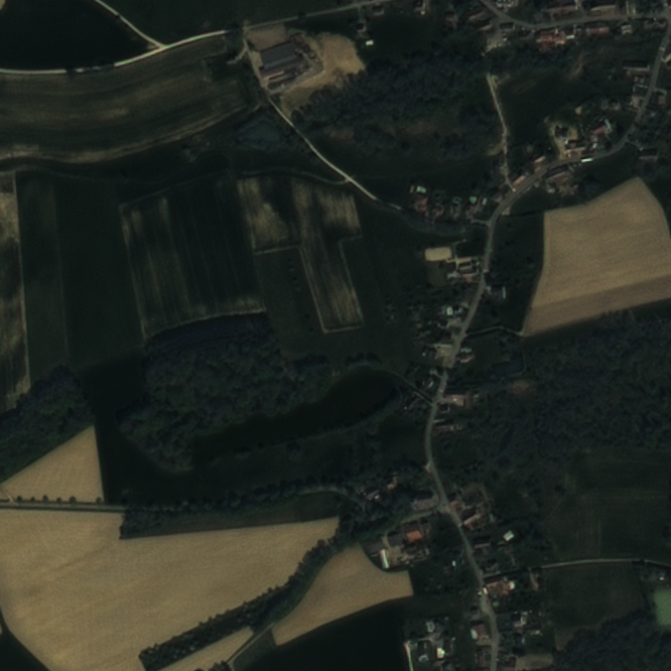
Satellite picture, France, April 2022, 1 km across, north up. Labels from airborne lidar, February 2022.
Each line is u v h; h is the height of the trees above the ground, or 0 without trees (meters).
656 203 0
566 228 0
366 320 0
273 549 0
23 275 0
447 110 19
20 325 0
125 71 0
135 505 0
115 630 0
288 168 0
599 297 0
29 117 0
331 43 0
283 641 0
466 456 0
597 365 23
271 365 28
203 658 0
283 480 0
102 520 0
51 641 0
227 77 0
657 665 28
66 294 0
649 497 0
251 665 0
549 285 0
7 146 0
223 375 28
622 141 0
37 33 0
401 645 0
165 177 0
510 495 0
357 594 0
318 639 0
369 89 32
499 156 0
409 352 0
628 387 29
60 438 20
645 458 0
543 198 0
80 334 0
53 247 0
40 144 0
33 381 0
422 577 0
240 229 0
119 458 0
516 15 0
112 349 0
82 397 22
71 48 0
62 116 0
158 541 0
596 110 0
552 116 0
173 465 22
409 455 0
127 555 0
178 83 0
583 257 0
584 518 0
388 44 0
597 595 0
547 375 16
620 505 0
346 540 22
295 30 0
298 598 16
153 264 0
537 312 0
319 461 0
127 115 0
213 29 0
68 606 0
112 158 0
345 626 0
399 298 0
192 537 0
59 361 0
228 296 0
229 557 0
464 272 0
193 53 0
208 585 0
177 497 0
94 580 0
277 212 0
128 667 0
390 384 0
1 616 0
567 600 0
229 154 0
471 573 0
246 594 0
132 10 0
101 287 0
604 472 0
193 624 0
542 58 20
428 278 0
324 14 0
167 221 0
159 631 0
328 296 0
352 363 14
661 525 0
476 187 11
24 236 0
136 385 0
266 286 0
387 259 0
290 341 0
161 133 0
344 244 0
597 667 30
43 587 0
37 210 0
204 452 0
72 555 0
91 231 0
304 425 0
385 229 0
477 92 6
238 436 0
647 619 21
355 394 0
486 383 27
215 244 0
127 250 0
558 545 0
